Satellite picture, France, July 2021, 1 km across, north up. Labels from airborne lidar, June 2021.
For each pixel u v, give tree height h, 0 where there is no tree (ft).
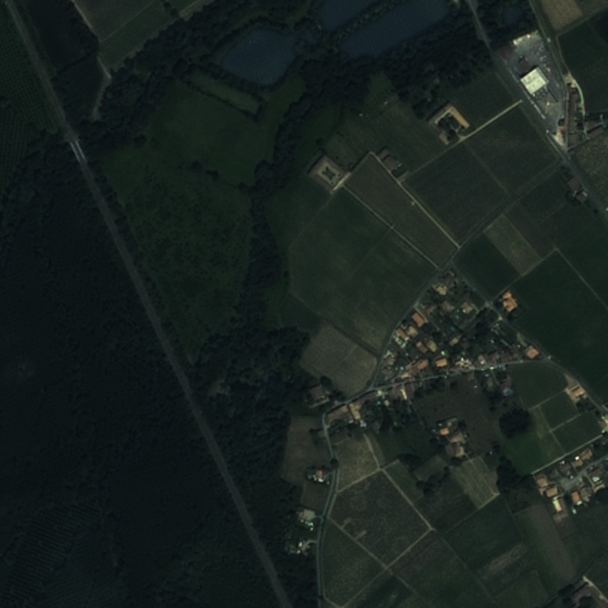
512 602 0
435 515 0
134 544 98
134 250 68
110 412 80
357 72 52
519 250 0
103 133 56
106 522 30
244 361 30
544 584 0
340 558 0
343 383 0
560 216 0
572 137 0
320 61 17
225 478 33
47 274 65
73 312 95
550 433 0
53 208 68
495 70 0
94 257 90
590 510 0
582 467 0
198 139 0
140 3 0
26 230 100
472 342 26
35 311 100
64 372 92
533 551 0
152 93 46
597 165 0
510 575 0
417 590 0
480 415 0
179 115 0
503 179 0
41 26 0
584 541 0
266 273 23
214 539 78
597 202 0
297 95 0
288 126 55
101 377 83
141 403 76
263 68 0
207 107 0
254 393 89
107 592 75
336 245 0
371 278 0
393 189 0
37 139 33
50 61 0
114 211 22
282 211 0
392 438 0
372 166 0
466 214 0
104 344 82
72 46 0
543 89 0
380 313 0
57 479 80
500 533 0
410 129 0
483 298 0
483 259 0
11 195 58
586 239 0
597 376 0
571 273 0
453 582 0
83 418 71
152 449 82
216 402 61
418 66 97
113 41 0
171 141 0
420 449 0
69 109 69
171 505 91
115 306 91
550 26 0
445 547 0
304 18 25
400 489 0
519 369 0
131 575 51
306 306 0
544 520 0
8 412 95
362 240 0
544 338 0
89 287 88
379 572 0
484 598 0
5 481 79
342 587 0
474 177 0
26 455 76
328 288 0
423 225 0
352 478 0
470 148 0
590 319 0
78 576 74
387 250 0
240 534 44
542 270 0
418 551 0
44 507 28
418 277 0
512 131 0
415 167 0
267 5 48
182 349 51
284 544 26
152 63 54
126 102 81
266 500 38
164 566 44
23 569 46
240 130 0
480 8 43
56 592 68
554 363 0
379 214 0
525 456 0
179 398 73
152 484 93
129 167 0
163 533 99
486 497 0
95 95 37
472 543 0
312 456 0
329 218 0
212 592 35
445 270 0
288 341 59
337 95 45
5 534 20
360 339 0
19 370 104
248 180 0
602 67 0
